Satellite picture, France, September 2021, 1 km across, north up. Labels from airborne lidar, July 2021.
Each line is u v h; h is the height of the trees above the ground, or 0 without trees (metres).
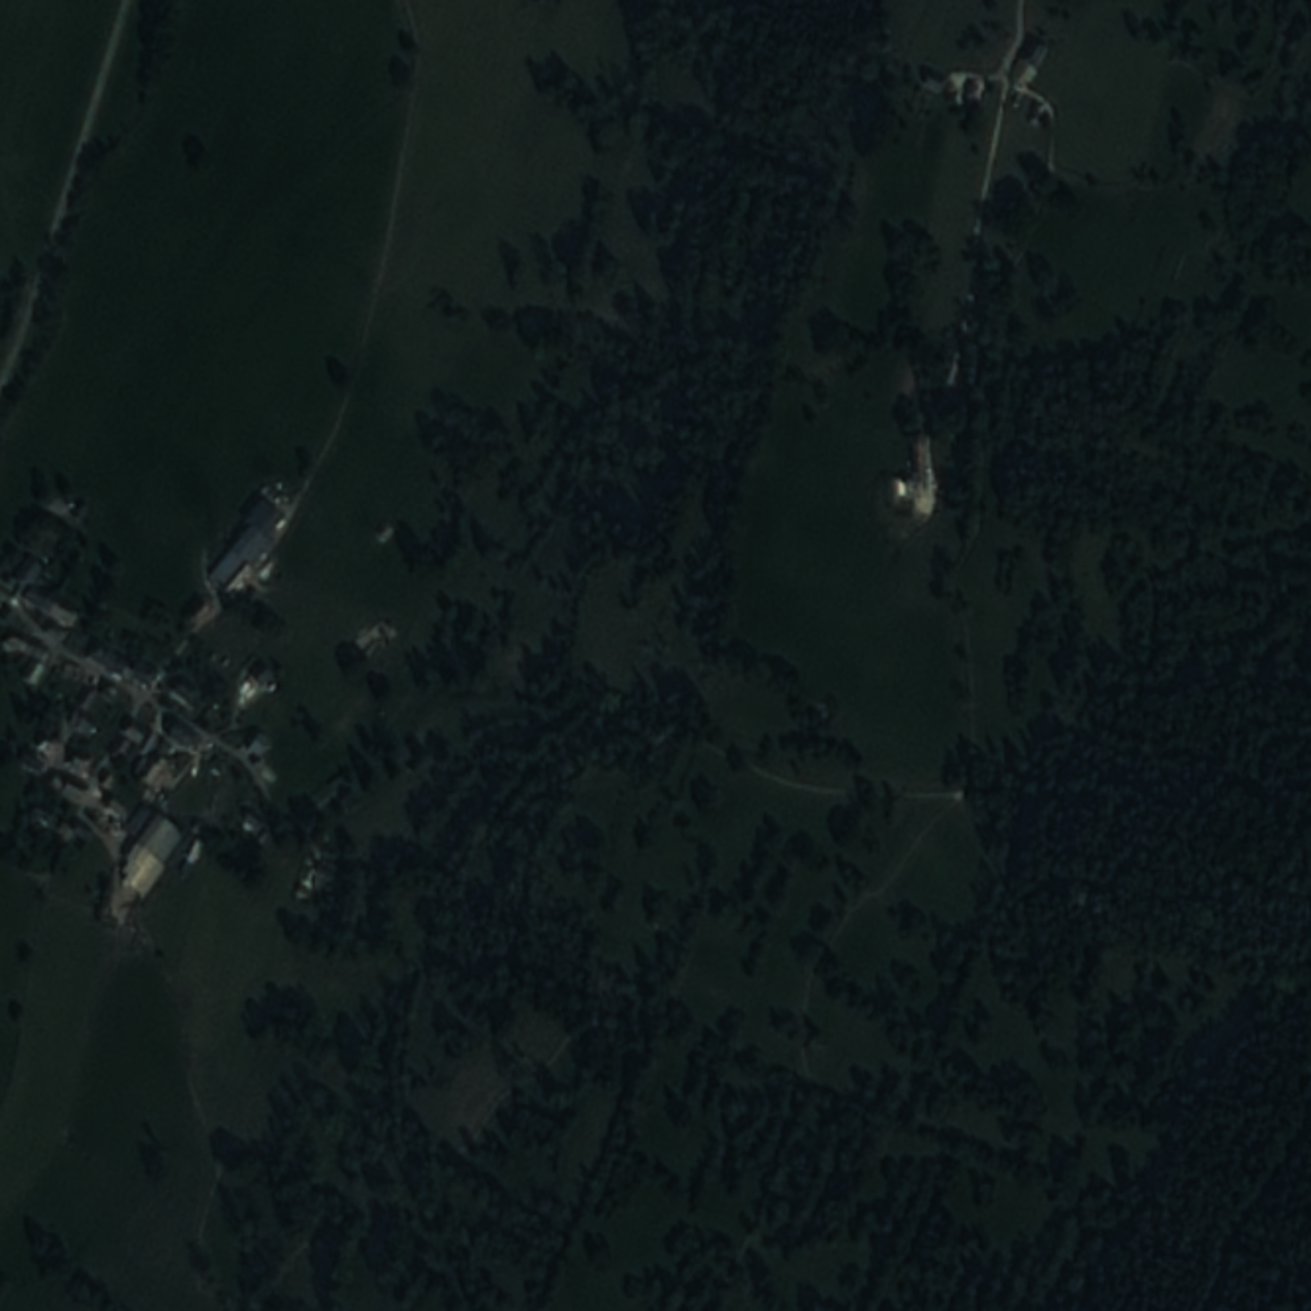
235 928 0
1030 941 7
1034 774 10
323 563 0
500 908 12
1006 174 0
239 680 0
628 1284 7
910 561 0
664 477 8
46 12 0
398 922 22
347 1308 15
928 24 0
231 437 0
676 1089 0
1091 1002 9
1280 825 16
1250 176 14
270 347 0
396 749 22
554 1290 11
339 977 0
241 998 0
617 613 0
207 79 0
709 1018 0
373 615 0
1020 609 0
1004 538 0
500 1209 17
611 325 0
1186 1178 16
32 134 0
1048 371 13
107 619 7
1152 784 10
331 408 0
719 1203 0
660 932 0
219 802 0
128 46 0
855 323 0
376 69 0
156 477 0
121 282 0
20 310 20
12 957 0
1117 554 7
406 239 0
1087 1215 12
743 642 0
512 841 19
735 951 0
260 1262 0
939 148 0
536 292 0
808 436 0
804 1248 14
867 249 0
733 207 21
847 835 17
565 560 0
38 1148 0
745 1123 6
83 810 0
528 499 12
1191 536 7
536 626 0
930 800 0
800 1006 0
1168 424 9
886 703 0
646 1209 0
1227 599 16
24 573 0
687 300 15
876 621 0
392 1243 23
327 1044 17
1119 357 17
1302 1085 22
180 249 0
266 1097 0
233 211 0
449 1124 0
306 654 0
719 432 19
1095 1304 19
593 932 8
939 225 0
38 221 0
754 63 23
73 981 0
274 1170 19
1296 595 18
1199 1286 22
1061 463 14
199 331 0
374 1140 15
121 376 0
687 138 18
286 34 0
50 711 16
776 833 14
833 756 14
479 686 18
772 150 8
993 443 13
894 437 0
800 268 18
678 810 9
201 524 0
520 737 0
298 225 0
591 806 0
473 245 0
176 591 0
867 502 0
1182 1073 7
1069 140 0
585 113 18
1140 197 0
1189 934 24
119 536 0
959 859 0
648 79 20
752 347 13
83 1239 0
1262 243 6
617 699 16
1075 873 27
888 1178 0
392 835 0
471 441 20
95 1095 0
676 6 8
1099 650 0
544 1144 12
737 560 17
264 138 0
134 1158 0
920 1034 18
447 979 14
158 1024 0
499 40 0
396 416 0
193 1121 0
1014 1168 14
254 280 0
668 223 19
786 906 13
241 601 15
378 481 0
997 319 21
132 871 0
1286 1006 15
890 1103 11
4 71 0
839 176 12
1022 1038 0
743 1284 18
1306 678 22
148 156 0
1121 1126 7
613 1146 8
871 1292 5
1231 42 0
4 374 0
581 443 21
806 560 0
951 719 0
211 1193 0
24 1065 0
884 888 0
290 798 0
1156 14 0
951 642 0
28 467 0
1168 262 0
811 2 25
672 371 18
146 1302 0
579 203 0
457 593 0
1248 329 7
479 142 0
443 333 0
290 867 0
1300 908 21
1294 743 17
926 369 21
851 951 0
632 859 0
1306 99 14
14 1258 0
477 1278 7
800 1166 18
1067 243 0
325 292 0
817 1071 0
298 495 0
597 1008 14
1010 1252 0
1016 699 8
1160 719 16
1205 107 0
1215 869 22
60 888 0
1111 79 0
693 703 22
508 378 0
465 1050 15
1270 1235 21
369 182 0
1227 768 27
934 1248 17
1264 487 12
